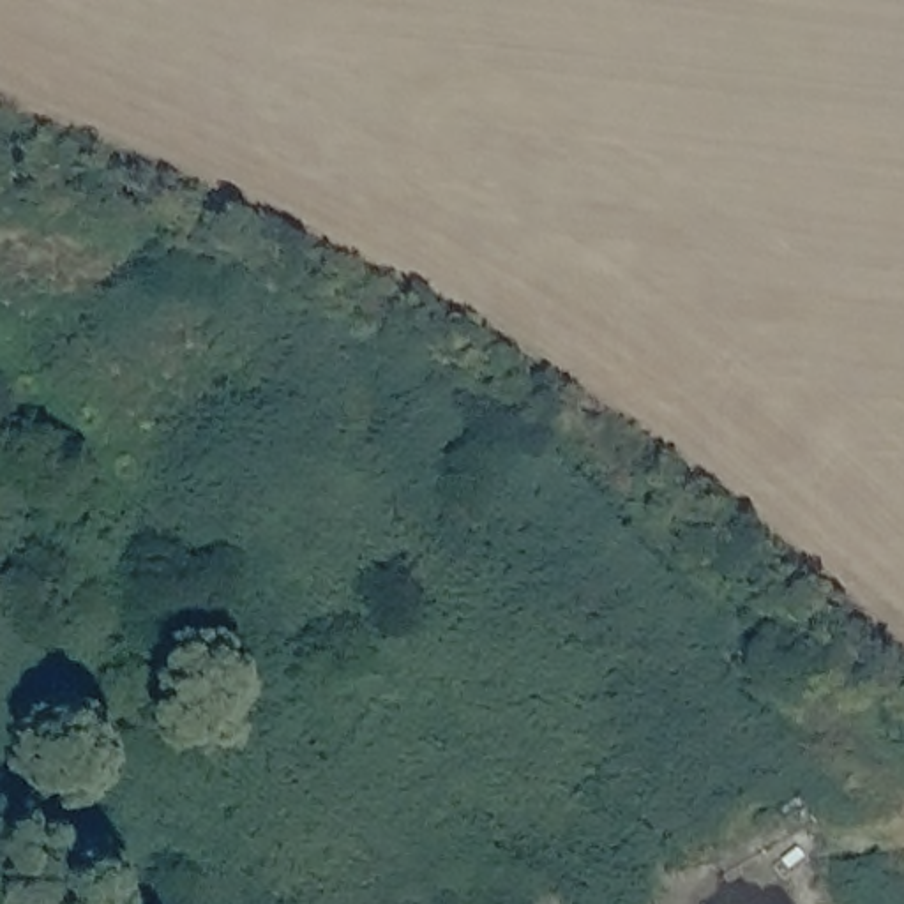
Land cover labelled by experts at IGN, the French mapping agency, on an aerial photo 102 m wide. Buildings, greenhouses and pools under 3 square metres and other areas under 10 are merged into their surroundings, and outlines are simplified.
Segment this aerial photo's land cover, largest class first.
<instances>
[{"label":"brushwood","instance_id":"1","mask_svg":"<svg viewBox=\"0 0 904 904\"><path fill-rule=\"evenodd\" d=\"M173 230L162 226L155 205H131L124 198L92 201V194L85 191H67V198H57L42 208H0V795L7 798V823L14 826L28 816H46L53 823L74 826V844L85 855H92L95 865L102 858L124 855V872L138 876V904H657L660 876L699 865L706 848L720 851V830L742 805V798L756 802L759 812L752 816V823L759 830H766V823L784 812L791 798H805V809L812 816L833 826L851 830L862 823L890 819L904 809V685H851L844 671H826L809 678V689L798 696V703H787L780 692L745 674V667L731 653L738 650L745 632L738 625V604L749 593V583L717 579V572H710V558L682 554L678 540H671V530L650 533L646 526L653 516V491L622 494L611 487L607 494H597L590 480L572 473V463L583 459V438L558 427L561 385H554L544 396L526 388L519 403L473 396L459 385V364L438 367L431 360V339L396 332L392 325L360 321L353 314L357 304L339 297L328 283H318V293L311 300H300L297 293H283L275 279H268L261 268L226 261L219 254H187L180 247H166ZM237 622L247 629V664H254L261 678V696L247 713V745L208 752L173 749L162 738V720H145L141 710L131 703V717L117 720V731H124V770L99 805L67 809L60 795H42L28 787L25 777L7 770L14 763V756H4L11 692L49 653H64L67 660L88 671L120 653H148V667L162 671V664L177 650V629H237ZM823 904H904V848L840 851L830 855L826 890Z\"/></svg>","mask_w":904,"mask_h":904},{"label":"plowed land","instance_id":"2","mask_svg":"<svg viewBox=\"0 0 904 904\"><path fill-rule=\"evenodd\" d=\"M0 95L18 102L25 113L49 117L64 127H92L102 141L124 152L166 159L180 173L198 177L208 187L233 184L251 201L297 215L311 233L353 247L374 265L406 275H424L434 293L473 307L477 318L512 335L526 357L569 371L586 392L597 396L600 406L639 420L643 431L671 441L689 466L710 470L727 491L749 498L756 516L777 537H784L795 551L819 558L823 572L840 579L848 600L858 604L872 622H883L890 636L904 643V0H0Z\"/></svg>","mask_w":904,"mask_h":904},{"label":"deciduous trees","instance_id":"3","mask_svg":"<svg viewBox=\"0 0 904 904\"><path fill-rule=\"evenodd\" d=\"M67 191H85L92 194V201L124 198L131 205H155L162 226L173 230L166 247H180L187 254H219L226 261L261 268L268 279H275L283 293H297L300 300H311L318 293V283H328L339 297L357 304L353 314L360 321L392 325L396 332L431 339V360L438 367L459 364V385L473 396L519 403L526 388L544 396L554 385H561L558 427L583 438V459L572 463V473L590 480L597 494H607L611 487L622 494L653 491V516L646 526L650 533L671 530V540H678L682 554L710 558V572H717V579L749 583V593L738 604V625L745 632L738 650L731 653L745 667V674L780 692L787 703H798V696L809 689V678L826 671H844L851 685H904V643L890 636L883 622H872L858 604L848 600L840 579L823 572L819 558L795 551L784 537H777L756 516L749 498L727 491L710 470L689 466L671 441L643 431L639 420L600 406L597 396L586 392L569 371L526 357L512 335L477 318L473 307L434 293L424 275H406L374 265L353 247L311 233L297 215L251 201L233 184L208 187L198 177L180 173L166 159L124 152L102 141L92 127H64L49 117L25 113L18 102L0 95V208H42L57 198H67ZM247 629L237 622V629H177V650L162 664V671L148 667V653H120L88 671L67 660L64 653H49L11 692L4 756H14V763L7 770L25 777L28 787L42 795H60L67 809L99 805L124 770V731H117V720L131 717V703L141 710L145 720H162V738L173 749L208 752L247 745V713L261 696V678L254 664H247ZM124 855L102 858L95 865L92 855H85L74 844V826L53 823L46 816H28L14 826L7 823V798L0 795V904H138V876L124 872Z\"/></svg>","mask_w":904,"mask_h":904},{"label":"bare soil","instance_id":"4","mask_svg":"<svg viewBox=\"0 0 904 904\"><path fill-rule=\"evenodd\" d=\"M812 851L809 833L766 830H759L749 840V848L717 872L699 865L660 876L657 904H706L713 897V883L727 879L784 886L795 904H823L826 890L812 886V869L805 862V855Z\"/></svg>","mask_w":904,"mask_h":904},{"label":"herbaceous vegetation","instance_id":"5","mask_svg":"<svg viewBox=\"0 0 904 904\"><path fill-rule=\"evenodd\" d=\"M759 812L756 802L742 798V805L720 830V851L706 848L699 865L717 872L749 848V840L759 830L752 823V816ZM766 830L809 833L812 851L805 855V862L812 869V886L826 890L830 855L840 851L826 840L833 826L812 816L805 809V798H791L784 812L766 823Z\"/></svg>","mask_w":904,"mask_h":904},{"label":"pervious surface","instance_id":"6","mask_svg":"<svg viewBox=\"0 0 904 904\"><path fill-rule=\"evenodd\" d=\"M826 840L840 851L904 848V809L890 819L862 823L851 830L833 826Z\"/></svg>","mask_w":904,"mask_h":904},{"label":"water","instance_id":"7","mask_svg":"<svg viewBox=\"0 0 904 904\"><path fill-rule=\"evenodd\" d=\"M706 904H795L784 886L727 879L713 883V897Z\"/></svg>","mask_w":904,"mask_h":904}]
</instances>
